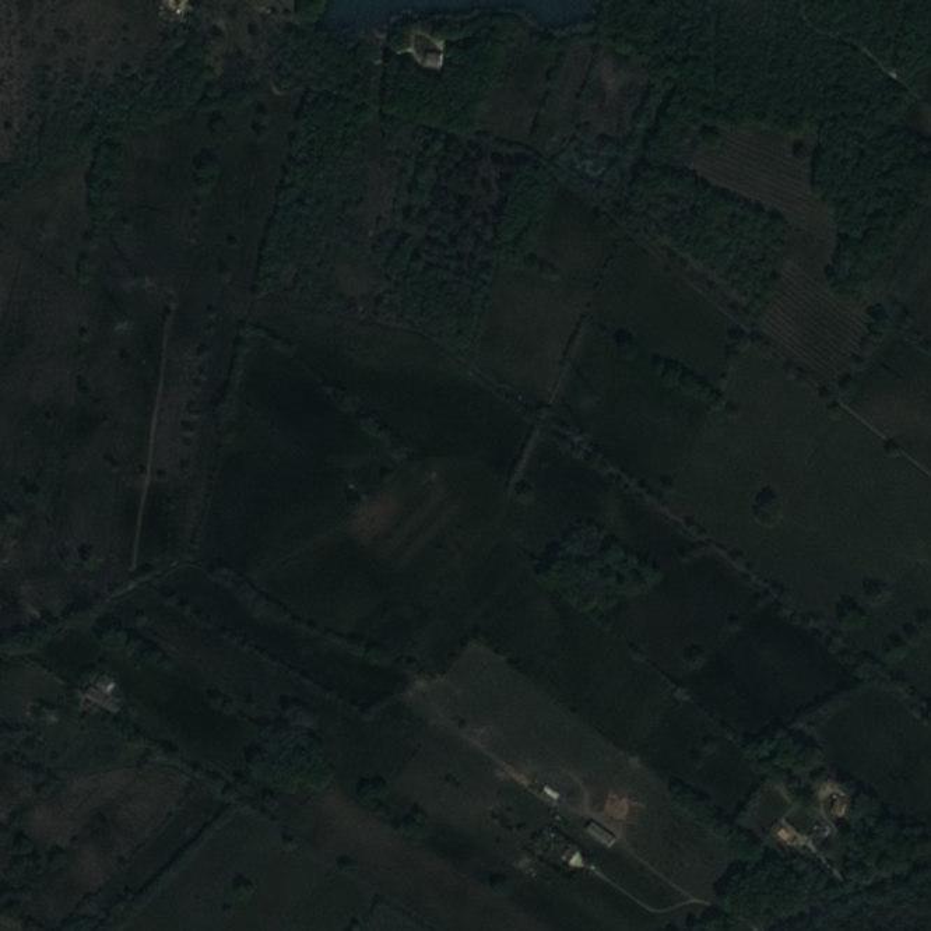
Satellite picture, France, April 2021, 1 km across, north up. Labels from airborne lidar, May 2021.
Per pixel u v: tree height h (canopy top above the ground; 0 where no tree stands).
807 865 11
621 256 0
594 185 9
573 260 0
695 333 0
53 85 9
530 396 0
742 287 10
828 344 0
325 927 0
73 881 0
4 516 15
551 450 0
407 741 0
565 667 0
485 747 0
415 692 0
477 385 0
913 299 0
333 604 0
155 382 0
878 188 22
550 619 0
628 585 20
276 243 14
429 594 0
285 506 0
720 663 0
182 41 7
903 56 15
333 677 0
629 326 0
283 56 17
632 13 21
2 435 0
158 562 0
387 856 0
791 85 18
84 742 0
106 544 0
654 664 8
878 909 18
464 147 13
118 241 0
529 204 21
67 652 0
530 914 0
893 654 20
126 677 0
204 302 0
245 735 0
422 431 0
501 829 0
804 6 13
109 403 0
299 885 0
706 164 0
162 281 0
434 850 0
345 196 8
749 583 10
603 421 0
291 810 0
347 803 0
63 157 17
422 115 14
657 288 0
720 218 15
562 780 0
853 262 19
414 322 6
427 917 0
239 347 14
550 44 18
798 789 20
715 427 0
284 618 17
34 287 0
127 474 0
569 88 0
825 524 0
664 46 15
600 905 0
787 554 0
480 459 0
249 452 0
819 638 12
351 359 0
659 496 13
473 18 7
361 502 18
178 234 0
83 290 0
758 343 15
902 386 0
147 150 0
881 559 0
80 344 0
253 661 0
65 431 0
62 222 0
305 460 0
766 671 0
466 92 17
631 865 0
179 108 13
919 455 0
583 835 0
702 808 21
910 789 0
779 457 0
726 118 23
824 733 0
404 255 22
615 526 0
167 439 0
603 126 0
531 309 0
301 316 0
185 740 0
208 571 0
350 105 21
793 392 0
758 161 0
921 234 9
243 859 0
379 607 0
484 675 0
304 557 0
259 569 0
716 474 0
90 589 0
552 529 0
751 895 28
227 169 0
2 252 0
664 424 0
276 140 0
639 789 0
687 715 0
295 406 0
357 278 0
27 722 0
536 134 9
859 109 15
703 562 0
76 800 0
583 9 0
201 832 7
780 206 0
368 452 0
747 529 0
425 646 0
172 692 0
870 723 0
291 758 23
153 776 0
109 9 0
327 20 0
